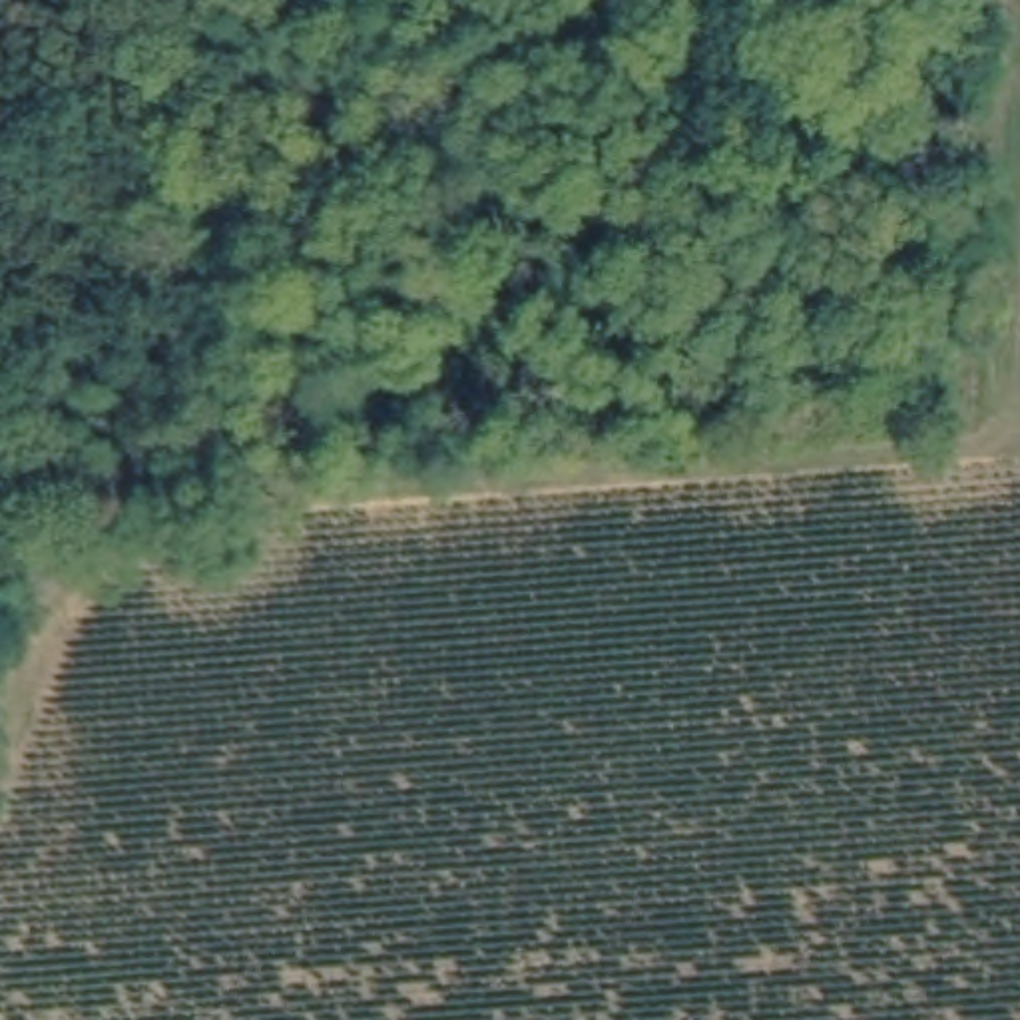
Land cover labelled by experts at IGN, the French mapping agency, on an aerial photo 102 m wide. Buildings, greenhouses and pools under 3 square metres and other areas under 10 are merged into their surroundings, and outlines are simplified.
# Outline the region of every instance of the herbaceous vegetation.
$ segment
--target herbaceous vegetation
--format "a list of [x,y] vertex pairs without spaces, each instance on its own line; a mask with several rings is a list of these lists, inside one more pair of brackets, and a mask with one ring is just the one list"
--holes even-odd
[[56,697],[68,645],[80,638],[80,622],[92,614],[92,606],[88,598],[76,602],[60,582],[44,582],[36,590],[44,622],[36,634],[28,634],[24,665],[0,681],[0,777],[12,773],[16,745],[32,729],[36,709],[44,709]]
[[992,155],[992,167],[1004,175],[1004,183],[1020,191],[1020,0],[996,0],[1000,16],[1012,20],[1012,80],[992,112],[992,124],[980,135],[980,147]]
[[829,466],[881,474],[889,466],[908,470],[893,438],[885,438],[877,450],[841,450],[829,458]]
[[964,367],[960,386],[944,390],[960,422],[960,458],[1020,458],[1020,207],[1012,267],[1016,323],[988,363]]
[[303,494],[283,494],[271,542],[295,542],[303,534],[303,514],[315,514],[319,506],[311,506]]
[[630,482],[614,474],[594,474],[578,458],[550,458],[514,462],[498,482],[546,482],[562,498],[618,494],[630,490]]

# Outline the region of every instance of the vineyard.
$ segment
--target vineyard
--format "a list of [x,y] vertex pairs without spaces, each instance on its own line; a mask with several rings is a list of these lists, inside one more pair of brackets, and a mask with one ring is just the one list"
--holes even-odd
[[0,777],[0,1020],[1020,1020],[1020,458],[960,458],[944,478],[932,482],[908,470],[889,466],[881,474],[829,466],[749,478],[630,482],[630,490],[618,494],[562,498],[546,482],[498,482],[482,482],[474,494],[454,498],[446,506],[434,506],[426,494],[410,494],[398,506],[390,498],[375,498],[355,510],[319,506],[315,514],[303,514],[303,534],[295,542],[271,542],[267,566],[239,586],[227,582],[215,590],[187,590],[171,586],[155,566],[147,566],[139,586],[120,606],[92,606],[92,614],[80,622],[80,638],[68,645],[56,697],[44,709],[36,709],[32,729],[16,745],[12,773]]

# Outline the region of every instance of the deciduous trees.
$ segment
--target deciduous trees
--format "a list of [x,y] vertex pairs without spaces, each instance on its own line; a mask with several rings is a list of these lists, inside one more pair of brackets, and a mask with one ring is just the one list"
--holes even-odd
[[446,506],[454,498],[474,494],[482,482],[498,482],[514,462],[550,458],[578,458],[594,474],[614,474],[630,482],[749,478],[829,466],[829,458],[841,450],[877,450],[885,438],[893,438],[908,470],[932,482],[944,478],[960,458],[960,422],[944,390],[960,386],[964,367],[988,363],[1016,323],[1012,267],[1020,207],[1020,191],[1004,183],[1004,175],[992,167],[992,155],[980,147],[980,135],[992,124],[992,112],[1012,80],[1012,20],[1000,16],[996,0],[0,0],[0,681],[24,665],[28,634],[36,634],[44,622],[36,590],[44,582],[60,582],[76,602],[88,598],[92,606],[120,606],[139,586],[147,566],[155,566],[171,586],[187,590],[215,590],[227,582],[239,586],[267,566],[271,542],[283,494],[303,494],[311,506],[319,506],[355,510],[375,498],[390,498],[398,506],[410,494],[426,494],[434,506]]

